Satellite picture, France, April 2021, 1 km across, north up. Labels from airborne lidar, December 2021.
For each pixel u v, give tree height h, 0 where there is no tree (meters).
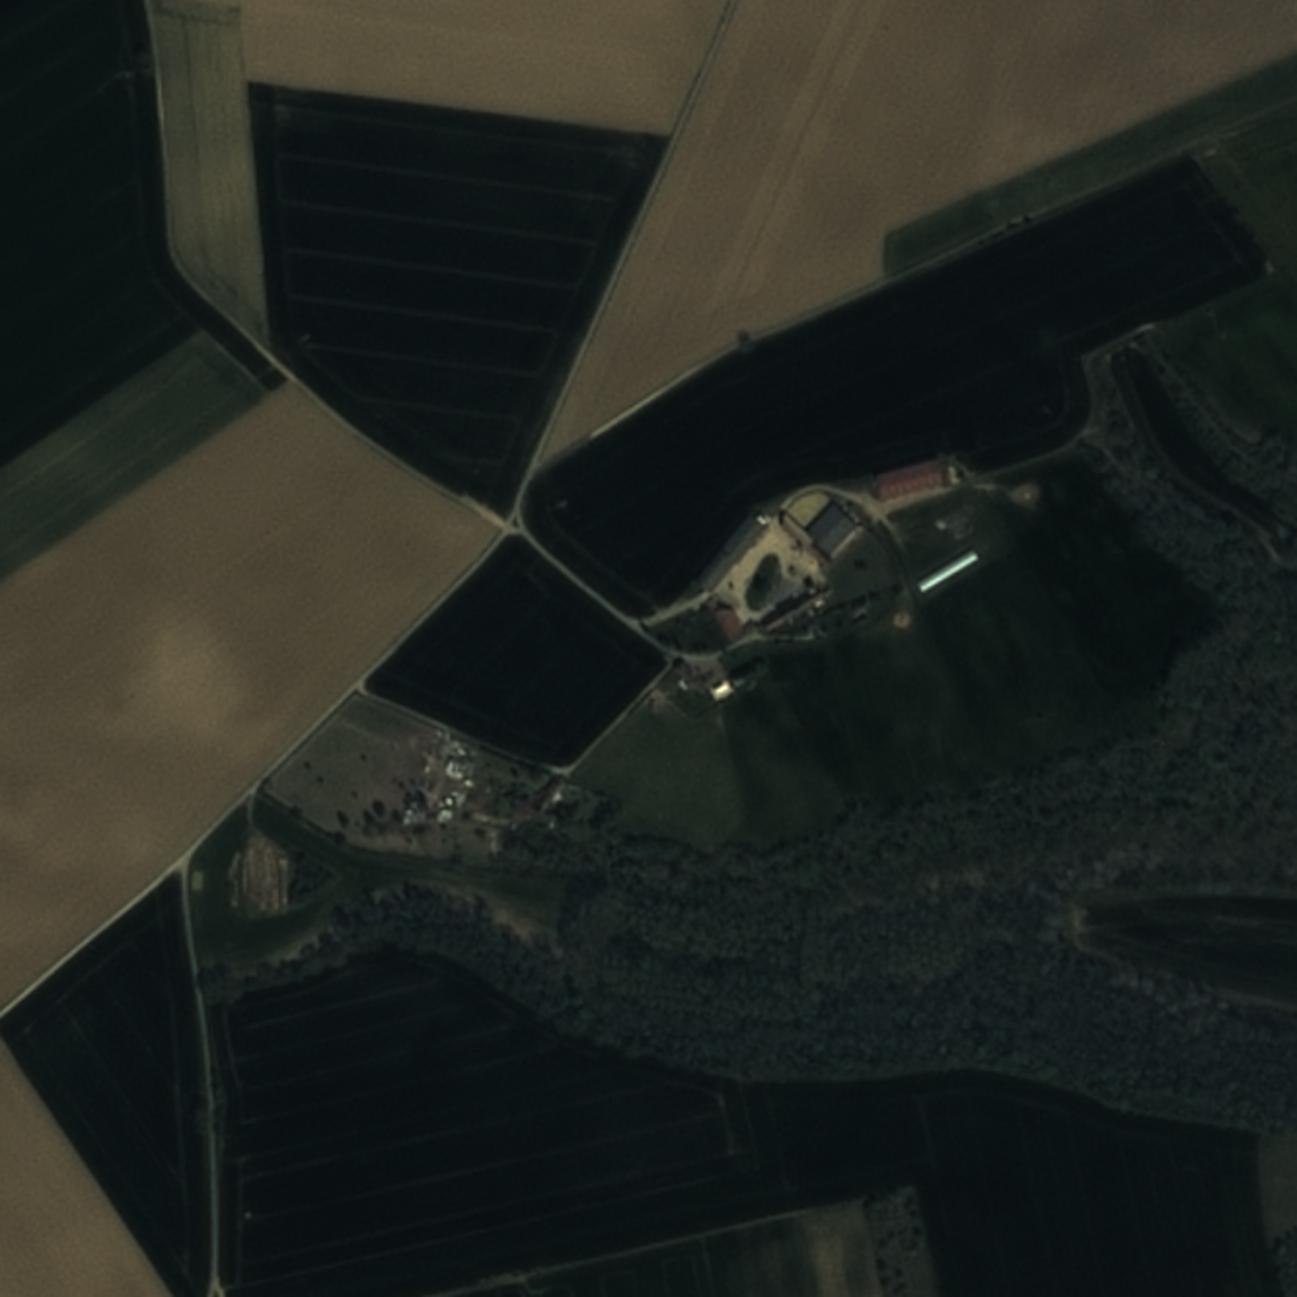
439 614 0
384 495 0
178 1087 0
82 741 0
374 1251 0
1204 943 0
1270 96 0
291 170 0
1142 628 0
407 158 0
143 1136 0
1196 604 0
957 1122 0
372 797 0
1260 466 12
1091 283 0
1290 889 17
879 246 0
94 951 0
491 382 0
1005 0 0
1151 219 0
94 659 0
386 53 0
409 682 0
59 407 0
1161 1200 0
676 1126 0
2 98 0
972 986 20
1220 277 0
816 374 0
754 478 0
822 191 0
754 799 0
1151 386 0
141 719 0
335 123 0
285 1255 0
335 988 0
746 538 0
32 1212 0
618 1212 0
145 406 0
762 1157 0
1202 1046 23
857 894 24
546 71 0
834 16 0
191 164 0
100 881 0
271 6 0
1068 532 0
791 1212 0
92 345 0
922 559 0
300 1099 0
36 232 0
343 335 0
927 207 0
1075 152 0
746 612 0
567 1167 0
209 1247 0
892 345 0
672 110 0
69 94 0
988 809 15
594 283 0
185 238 0
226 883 0
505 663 0
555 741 0
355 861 0
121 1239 0
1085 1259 0
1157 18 0
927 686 0
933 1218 0
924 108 0
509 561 0
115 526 0
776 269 0
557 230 0
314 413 0
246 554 0
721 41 0
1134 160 0
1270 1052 21
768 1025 26
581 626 0
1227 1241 0
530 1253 0
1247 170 0
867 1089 0
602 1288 0
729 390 0
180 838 0
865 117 0
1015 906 16
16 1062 0
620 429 0
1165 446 0
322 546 0
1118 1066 22
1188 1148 0
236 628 0
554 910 0
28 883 0
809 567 0
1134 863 18
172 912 0
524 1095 0
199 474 0
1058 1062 16
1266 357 0
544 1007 19
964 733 0
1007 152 0
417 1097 0
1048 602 0
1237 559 19
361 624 0
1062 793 17
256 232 0
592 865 15
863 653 0
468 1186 0
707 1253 0
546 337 0
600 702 0
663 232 0
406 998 0
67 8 0
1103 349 0
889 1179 0
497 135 0
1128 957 0
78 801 0
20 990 0
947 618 0
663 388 0
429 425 0
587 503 0
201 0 0
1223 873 16
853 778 0
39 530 0
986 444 0
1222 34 0
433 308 0
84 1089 0
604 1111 0
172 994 0
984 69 0
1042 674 0
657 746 0
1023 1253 0
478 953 18
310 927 0
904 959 34
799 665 0
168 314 0
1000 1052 17
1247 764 17
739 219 0
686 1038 22
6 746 0
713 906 26
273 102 0
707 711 0
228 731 0
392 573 0
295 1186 0
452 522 0
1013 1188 0
